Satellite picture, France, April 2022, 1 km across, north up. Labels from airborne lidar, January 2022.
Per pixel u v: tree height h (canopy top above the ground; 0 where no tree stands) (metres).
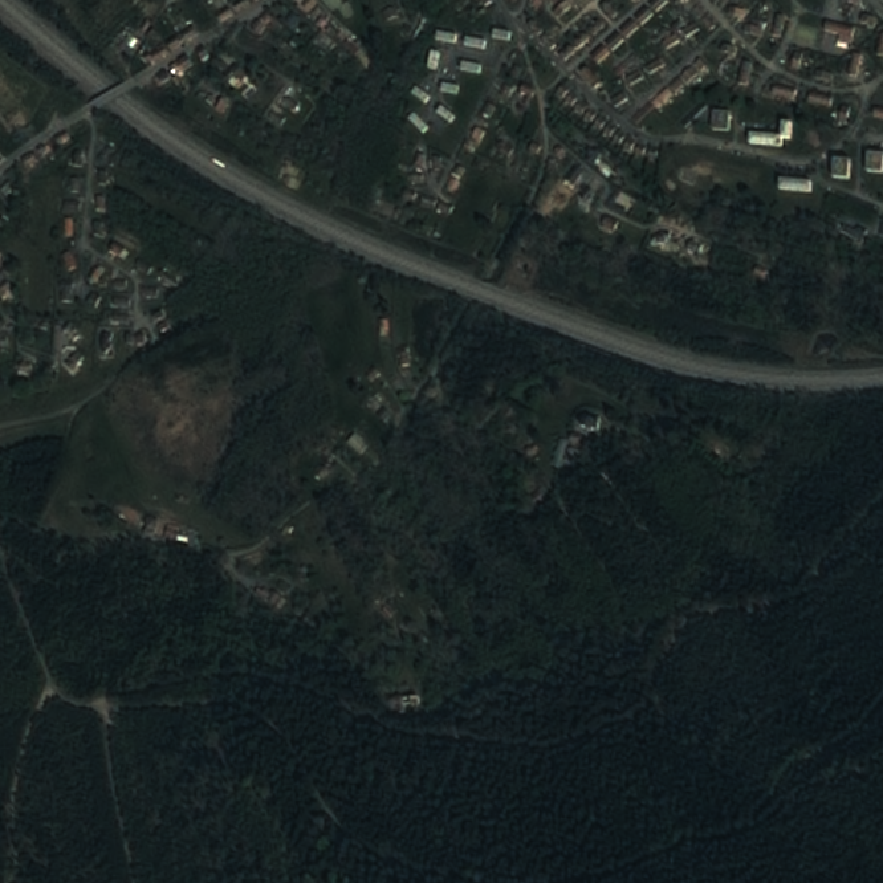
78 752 9
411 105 12
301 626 10
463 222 0
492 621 19
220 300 16
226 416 0
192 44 0
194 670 16
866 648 10
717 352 11
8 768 10
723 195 11
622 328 0
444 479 18
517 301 0
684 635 11
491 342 16
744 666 9
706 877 22
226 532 0
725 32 0
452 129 0
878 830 15
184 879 7
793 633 11
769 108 0
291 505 13
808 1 0
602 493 12
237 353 16
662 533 9
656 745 23
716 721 15
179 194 17
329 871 20
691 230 0
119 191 14
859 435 13
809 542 14
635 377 13
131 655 10
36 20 0
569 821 24
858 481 12
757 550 14
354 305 0
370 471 7
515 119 0
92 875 7
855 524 14
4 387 20
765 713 10
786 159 0
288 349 20
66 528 0
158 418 0
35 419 0
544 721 34
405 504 13
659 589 12
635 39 0
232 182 0
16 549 8
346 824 25
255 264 18
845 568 15
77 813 7
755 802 17
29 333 18
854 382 0
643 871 19
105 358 0
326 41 0
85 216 0
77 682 8
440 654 21
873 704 13
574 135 9
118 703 11
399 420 0
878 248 0
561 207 0
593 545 11
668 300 12
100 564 12
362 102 17
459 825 30
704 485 20
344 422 0
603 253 14
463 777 29
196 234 12
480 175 0
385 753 22
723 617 10
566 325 0
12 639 11
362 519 15
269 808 9
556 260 10
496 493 12
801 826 12
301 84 9
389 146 19
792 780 7
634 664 30
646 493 12
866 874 15
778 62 0
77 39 12
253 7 0
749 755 8
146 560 11
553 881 26
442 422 17
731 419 15
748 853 21
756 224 21
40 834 8
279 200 0
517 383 13
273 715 27
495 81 0
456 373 19
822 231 19
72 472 0
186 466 0
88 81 0
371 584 12
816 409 18
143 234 12
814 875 16
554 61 0
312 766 32
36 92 0
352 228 0
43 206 0
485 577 15
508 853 22
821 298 17
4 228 7
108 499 0
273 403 17
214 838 8
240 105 7
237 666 9
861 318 16
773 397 14
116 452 0
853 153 0
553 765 27
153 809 6
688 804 19
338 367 0
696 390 13
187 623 12
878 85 0
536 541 20
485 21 0
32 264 0
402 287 6
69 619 9
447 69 0
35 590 8
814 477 16
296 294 16
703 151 0
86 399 0
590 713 26
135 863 6
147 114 0
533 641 17
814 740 12
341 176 17
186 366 0
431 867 28
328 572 0
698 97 14
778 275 12
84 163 0
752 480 15
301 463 0
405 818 28
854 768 13
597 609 14
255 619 17
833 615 8
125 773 9
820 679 12
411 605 0
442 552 17
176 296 16
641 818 16
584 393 0
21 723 10
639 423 15
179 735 8
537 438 25
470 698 13
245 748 22
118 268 0
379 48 22
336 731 26
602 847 22
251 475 17
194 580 14
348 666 28
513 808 24
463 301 14
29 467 19
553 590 24
